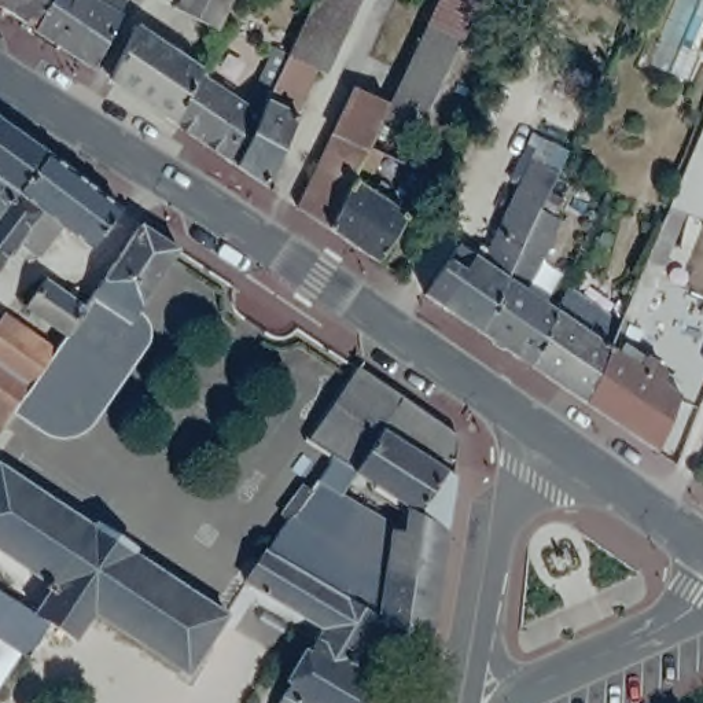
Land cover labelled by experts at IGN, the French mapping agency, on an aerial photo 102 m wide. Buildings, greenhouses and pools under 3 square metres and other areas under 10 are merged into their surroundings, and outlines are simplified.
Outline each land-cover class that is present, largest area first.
<instances>
[{"label":"impervious surface","instance_id":"1","mask_svg":"<svg viewBox=\"0 0 703 703\"><path fill-rule=\"evenodd\" d=\"M176 0H132L124 8L118 36L113 38L102 60L104 69L96 77L80 74L82 66L60 55L52 41L25 33L16 19L3 16L5 5L0 3V115H5L11 124H16L38 143H44L55 154V159L69 162L74 173L91 178L102 195H107L124 209V222L93 253L82 236L66 228L49 244L41 264H27L30 247L19 244V250L5 261L0 272V319L3 308H11L19 316L30 319V299L44 288L49 272L66 280H80L77 299L88 302L107 277L110 264L126 244V239L140 225L154 228L157 233L170 231L173 247L184 250L187 261L200 272L211 275L222 288L233 286L239 291L236 308L244 316V327L236 338L220 371H214L211 365L198 368V382L206 387V406L195 417L184 412V406H176L170 412V420L178 423V428L165 456L132 453L118 439L115 431H121L129 417H135L143 409L146 395L151 393V373L176 354L184 327L198 319L220 316V310L209 299L200 297L178 294L168 302L165 327L154 335V343L143 357L137 376L126 382L121 395L113 401L107 420L91 437L80 442H49L27 426H22L19 420L14 423V431L0 428V481L5 494V511H14L16 492L22 497L41 503L47 511L58 516L66 514L85 530H96L113 538L118 546L129 552L126 560L135 568L146 571L148 579L168 585L192 607H200L209 621H225L222 632L217 634L214 645L198 667L195 684L184 681L178 676V667L162 659L154 648L118 640L115 626L107 621H93L82 637H74L58 623H49L41 643L33 648V673L16 678L14 684V703H41L38 692L77 687L82 678L93 687L96 703H239L244 687L255 676L258 659L277 643L288 623H299V610L247 585V574L255 568L261 555L275 544L277 533L286 525V519L275 514V505H288V500L299 489H310L327 472V450L313 439V434L330 415L352 376L357 371H368L373 379H379L382 384L420 406L442 426L459 428L464 437L453 445V453H445V461H450L453 472L459 475V494L450 525L456 533L448 544V568L439 596L445 621L434 626L439 651L453 656V667L464 678V703H703V489L689 486V456L698 453L703 445V294L687 291V264L700 236V228L687 222L684 242L670 253L673 261H667V266H656L648 261L634 288L626 321L621 324V330L629 338L626 349H637L640 354L656 352L662 357V365L673 368L676 387L681 393L673 428L665 439V450L640 448L623 439L610 423H604L599 412H593L590 401L582 404L579 398L563 395L538 371L511 360L508 354L497 352L489 341H483L478 332L467 330L442 310L428 308L417 299V291H428L450 264L456 247L450 242H439L431 250H426L417 275H409L406 283H401L390 269L376 266L382 255L368 253L362 244L349 239L341 228L327 222L324 214L305 209L299 198L305 195L310 178L319 170V162L335 135V126L346 110L352 91L360 88L382 99L395 96L439 0H426L406 33V41L395 63L387 69L384 63L371 58V44L393 0H362L332 66L327 69L321 82L313 85L308 102L297 110L299 124L288 146L286 162L277 173L275 200L264 195L261 187H255L244 173H236L217 154H206L200 143H195L189 135H181L176 118L157 115L146 104V99L129 102L124 93L126 88H118L113 71L124 60L132 30L137 25H148L157 36L168 38L170 44L195 58L200 55L206 49V36L211 33V27L198 25L192 14L176 8ZM280 362H286V368L291 371L294 404L288 412L266 420V437L258 445L239 453L242 478L236 486V497L217 505L192 497L176 481L181 478L187 459L206 442L214 445L220 439L222 420L236 409L239 384L250 373L261 368H277ZM582 535L596 538L610 557L621 560L626 566V577L596 588L590 582V552ZM560 538L571 541L579 555V568L568 577H552L541 555L544 546ZM527 563H533L538 579L560 596V604L555 610L533 621H522ZM494 140L489 146L475 143L464 154L459 192V225L464 233H486V225L494 214V198L500 187L508 181V162L522 154V148L533 146V137L555 143L566 151L574 148V140L579 135H585L579 107L566 93L563 74L541 77V47H530L525 74L505 85L503 104L489 113ZM354 489L346 494L365 511L382 514L387 527L404 530L406 508L395 505L398 497L376 481L357 475L352 483ZM55 577L52 571H41V577L30 579V571L19 560L0 549V593L16 604L30 607L36 615H44L49 601L55 599V593H49V585Z\"/></svg>","mask_w":703,"mask_h":703},{"label":"building","instance_id":"2","mask_svg":"<svg viewBox=\"0 0 703 703\"><path fill-rule=\"evenodd\" d=\"M0 3L5 5L3 16L16 19L25 33L52 41L60 55L82 66L80 74L96 77L104 69L102 60L113 38L118 36L124 8L132 0H0ZM236 0H176V8L192 14L198 25L211 27L225 25ZM362 0H316L308 11V22L297 38L291 58L277 49L266 63L264 82L250 77L239 85L217 74H206L200 69V55L195 58L170 44L168 38L157 36L148 25H137L132 30L124 60L113 71L118 88H126L124 93L129 102L146 99V104L157 115L176 118L181 135H189L195 143H200L206 154H217L236 173H244L255 187H261L264 195L275 200L277 173L286 162L288 146L299 124L297 110L308 102L313 85L321 82L327 69L332 66ZM481 0H439L395 96L382 99L360 88L352 91L346 110L335 126V135L319 162V170L310 178L305 195L299 198L305 209L324 214L327 222L341 228L349 239L362 244L368 253L382 255L395 242L404 222L393 214L387 203L376 200V195L362 192L365 181H354V170L360 168L368 148H376L382 140H387L390 121L398 107L415 104L428 115L439 107L448 91L439 88V80L450 58L464 47L467 30L470 33L481 25ZM124 222V209L107 195H102L91 178L74 173L69 162L55 159V154L44 143H38L16 124H11L5 115H0V272L5 261L19 250V244L30 247L27 264H41L49 244L66 228L82 236L93 253ZM687 222L700 228L703 225V135L681 178V189L673 198V206L665 222L659 225L656 242L651 244L648 261L656 266H667V261H673L670 253L684 242ZM566 165V151L555 143L533 137V146L522 148V154L508 162V181L500 187L494 198V214L486 225V233H464L461 239L450 242L456 247L450 264L428 291H417V299L428 308L442 310L467 330L478 332L483 341H489L497 352L508 354L511 360L538 371L563 395L579 398L582 404L590 401L593 412H599L604 423H610L623 439L640 448L665 450V439L673 428L681 393L676 387L673 368L662 365V357L656 352L640 354L637 349H626L629 338L621 330V324L626 321L634 288L615 286L610 313L588 302L582 294H566L557 288L560 269L555 266L544 264V255L555 244L557 228L566 220L560 200L566 192V176L560 170ZM187 261L184 250L173 247L170 231L157 233L154 228L140 225L126 239V244L110 264L107 277L88 302L77 299L80 280H66L49 272L44 288L30 299V319L19 316L11 308H3L0 319V428L14 431V423L19 420L22 426H27L49 442H80L91 437L107 420L113 401L121 395L126 382L137 376L143 357L154 343V335L165 327L168 302L178 294L200 297L206 286L184 272ZM313 439L327 450V472L310 489H299L288 500V505H275V514L286 519V525L277 533L275 544L261 555L255 568L247 574V585L299 610V623L316 626L319 640L316 645L299 654L283 703H371L365 698V687L371 678V659L376 654V645L384 637L406 634V621H426L434 626L445 621L439 596L448 568V544L456 533L450 525L459 494V475L453 472L450 461H445V453H453V445L464 437L459 428L442 426L420 406L382 384L379 379H373L368 371H357L352 376L330 415L313 434ZM357 475L376 481L398 497L395 505L406 508L404 530L387 527L382 514L365 511L346 494L354 489L352 483ZM0 549L19 560L30 571V579L41 577V571H52L55 577L49 585V593H55V599L49 601L44 615H36L30 607L16 604L0 593V703H14V684L16 678L33 673V648L41 643L49 623H58L74 637H82L93 621H107L115 626L118 640L154 648L162 659L178 667V676L184 681L195 684L198 667L214 645L217 634L222 632L225 621H209L200 607H192L168 585L148 579L146 571L135 568L126 560L129 552L118 546L113 538L96 530H85L66 514L58 516L47 511L41 503L22 497L16 492L14 511H5V494L0 481Z\"/></svg>","mask_w":703,"mask_h":703},{"label":"deciduous trees","instance_id":"3","mask_svg":"<svg viewBox=\"0 0 703 703\"><path fill-rule=\"evenodd\" d=\"M277 0H236L225 25L211 27V33L206 36V49L200 55V69L206 74H217L220 63L228 58L239 22L247 14H255L258 8L275 5ZM481 25L470 33L475 36V44L467 49V66H478L481 71L475 99L467 107H461L450 124L412 121L398 135V151L393 157L395 165H423L439 154L442 143H450L453 148V170L426 187V192L415 203V211H409L404 222L395 242L382 255L376 266L390 269L401 283H406L409 275H417L426 250H431L439 242H450L461 239L464 233L459 225V192L464 154L475 143L489 146L494 140L489 113L503 104L505 85L525 74L530 47H541V77L563 74L566 93L579 107L585 135H579L574 140V148L566 151V165L560 170L566 176H571L577 181V189L588 192L590 198H601L610 187L615 189V176L588 151V137L599 132L607 110L615 104L610 66L629 52H640V36L648 27L659 25L667 14L670 0H615V41L610 47L588 49L579 41L557 38L555 25L544 22L549 0H481ZM648 80V99L659 107H667L673 104L676 93H684L681 118L687 129L700 124L703 96V66L695 69L689 80H678L673 71H662L654 66H645L643 74ZM656 192L673 198L681 189V178L678 173H673L654 181ZM236 338L222 327L220 316L198 319L184 327L176 354L151 373V393L146 395L143 409L135 417H129L121 431H115L118 439L132 453L165 456L178 428V423L170 420V412L176 406H184V412L195 417L206 406V387L198 382V368L211 365L214 371H220ZM236 409L222 420L220 439L214 445L206 442L187 459L181 478L176 481L192 497L217 505L236 497V486L242 478L239 453L258 445L266 437V420L288 412L294 404L291 371L286 368V362H280L277 368H261L250 373L239 384ZM689 486L703 489V445L698 453L689 456ZM365 698L371 703H464V678L453 667V656L439 651L434 626L426 621H406V634L384 637L376 645V654L371 659V678L365 687ZM319 640L316 626L299 623H288L277 643L258 659L255 676L244 687L239 703H283L299 654L316 645ZM41 703H96L93 687L82 678L77 687L38 692Z\"/></svg>","mask_w":703,"mask_h":703},{"label":"herbaceous vegetation","instance_id":"4","mask_svg":"<svg viewBox=\"0 0 703 703\"><path fill-rule=\"evenodd\" d=\"M316 0H277L275 5L258 8L255 14H247L239 22L228 58L220 63L217 74L239 85L250 77L264 82L266 63L277 49L291 58L297 38L308 22V11ZM426 0H393L371 44V58L384 63L387 69L395 63L406 41V33ZM544 22L555 25L557 38L579 41L588 49L610 47L615 41V0H549ZM667 14L659 25L648 27L640 36V52H629L610 66L615 104L607 110L599 132L588 137V151L615 176V189L621 195L634 198V206L632 214L621 220L615 250L604 277L599 280L585 275L582 294L588 302L610 313L615 286L618 275L626 266V255L637 239V220L643 211H648V206L656 203V192L654 181L673 173L670 159L676 157L687 129L681 118L684 93H676L673 104L667 107H659L648 99V80L643 74L645 66H654V49L662 38V25ZM612 121H623L626 129H640L643 143L637 148L615 146L607 137V126ZM475 44V36L470 33L467 30L464 47L450 58L439 80V88L448 91L439 107L428 115L415 104L398 107L390 121L387 140H382L376 148H368L360 168L354 170V181H365L362 192L376 195V200L387 203L393 214L404 222L409 211H415V203L426 192V187L453 170V148L450 143H442L439 154L423 165H395L393 157L398 151V135L412 121L450 124L461 107H467L475 99L481 71L478 66H467V49ZM590 198L588 192L577 189V181L571 176H566V192L560 200L566 220L557 228L555 244L544 255V264L555 266L560 258L568 255L579 211L588 206ZM687 291L703 294V225L700 228V236L687 264Z\"/></svg>","mask_w":703,"mask_h":703},{"label":"brushwood","instance_id":"5","mask_svg":"<svg viewBox=\"0 0 703 703\"><path fill-rule=\"evenodd\" d=\"M703 135V96L700 124L687 129L676 157L670 159L673 173H678L681 178ZM607 137L615 146L637 148L643 143L640 129H626L623 121H612L607 126ZM634 206V198L621 195L615 189L610 187L601 198H590L588 206L579 211L568 255L560 258L555 266L560 269L557 288L566 294H582L585 275L599 280L604 277L615 250L621 220L632 214ZM673 206V198L656 192V203L648 206V211H643L637 220V239L626 255V266L618 275L615 286L634 288L648 261L651 244L656 242L659 225L665 222ZM184 272L206 286L200 297L209 299L220 310V316L222 327L236 338L244 327V316L236 308L239 291L233 286L222 288L211 275L200 272L187 261ZM590 552V582L596 588L626 577V566L621 560L610 557L596 538L582 535ZM541 555L552 577H568L579 568V555L571 541L560 538L544 546ZM560 604V596L538 579L533 563H527L522 621H533L555 610Z\"/></svg>","mask_w":703,"mask_h":703},{"label":"greenhouse","instance_id":"6","mask_svg":"<svg viewBox=\"0 0 703 703\"><path fill-rule=\"evenodd\" d=\"M654 66L662 71H673L678 80H689L695 69L703 66V0H670L667 14L662 25V38L654 49Z\"/></svg>","mask_w":703,"mask_h":703}]
</instances>
